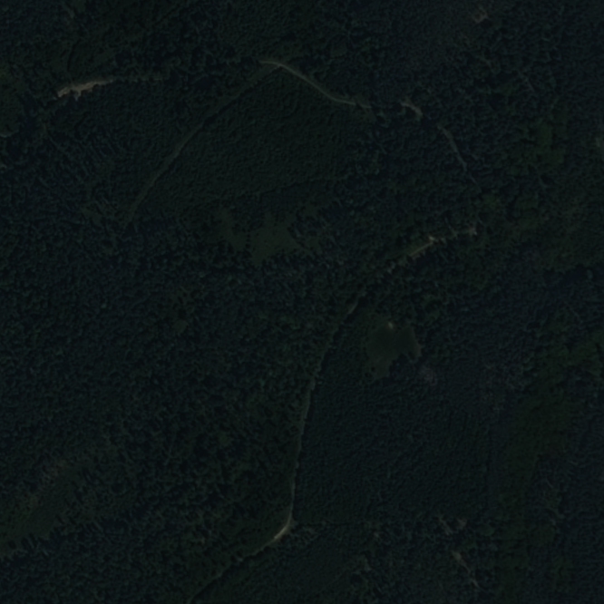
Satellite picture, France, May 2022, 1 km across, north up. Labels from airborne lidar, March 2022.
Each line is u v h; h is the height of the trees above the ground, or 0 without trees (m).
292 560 11
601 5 34
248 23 9
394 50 28
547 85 27
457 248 26
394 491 17
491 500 22
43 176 29
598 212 8
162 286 27
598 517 36
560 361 26
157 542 34
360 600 15
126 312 27
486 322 37
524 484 32
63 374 35
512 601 31
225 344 32
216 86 11
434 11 21
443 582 29
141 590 34
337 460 15
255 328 30
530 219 34
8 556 0
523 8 29
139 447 8
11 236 34
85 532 31
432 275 28
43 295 36
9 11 27
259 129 7
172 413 36
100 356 34
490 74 30
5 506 38
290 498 15
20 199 31
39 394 33
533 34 36
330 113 8
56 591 36
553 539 32
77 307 32
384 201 30
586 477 32
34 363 32
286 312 27
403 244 35
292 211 8
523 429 26
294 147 9
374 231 26
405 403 12
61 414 37
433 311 32
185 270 29
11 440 33
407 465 18
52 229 31
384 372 0
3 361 24
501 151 33
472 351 22
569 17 34
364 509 14
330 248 30
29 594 34
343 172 7
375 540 10
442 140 33
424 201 28
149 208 7
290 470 11
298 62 9
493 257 28
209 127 13
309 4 14
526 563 39
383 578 32
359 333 13
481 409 23
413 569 28
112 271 29
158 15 15
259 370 27
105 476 35
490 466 23
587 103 36
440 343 30
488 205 28
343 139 8
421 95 27
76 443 33
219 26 22
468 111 29
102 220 0
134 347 29
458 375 24
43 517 0
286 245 0
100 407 35
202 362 31
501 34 26
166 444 36
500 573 29
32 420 35
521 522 28
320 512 14
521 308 36
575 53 39
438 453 19
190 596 9
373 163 27
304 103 9
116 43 7
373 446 20
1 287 34
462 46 27
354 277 27
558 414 29
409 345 0
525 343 26
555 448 32
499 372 21
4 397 31
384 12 25
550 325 30
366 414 16
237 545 21
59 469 37
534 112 27
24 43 30
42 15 27
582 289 35
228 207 12
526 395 25
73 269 33
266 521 21
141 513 31
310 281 27
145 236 30
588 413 26
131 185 7
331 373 13
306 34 8
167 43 33
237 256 10
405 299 15
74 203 29
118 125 9
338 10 9
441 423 21
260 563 8
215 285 30
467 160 31
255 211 10
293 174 7
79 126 12
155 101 11
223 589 13
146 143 7
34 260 34
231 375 30
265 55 10
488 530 28
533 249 31
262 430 29
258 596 10
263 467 33
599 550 42
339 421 16
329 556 10
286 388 30
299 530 10
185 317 29
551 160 36
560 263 7
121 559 36
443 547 23
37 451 36
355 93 7
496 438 25
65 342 36
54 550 31
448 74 28
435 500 19
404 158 27
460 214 25
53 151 29
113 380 32
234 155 7
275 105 8
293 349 24
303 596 11
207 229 27
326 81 11
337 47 9
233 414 32
